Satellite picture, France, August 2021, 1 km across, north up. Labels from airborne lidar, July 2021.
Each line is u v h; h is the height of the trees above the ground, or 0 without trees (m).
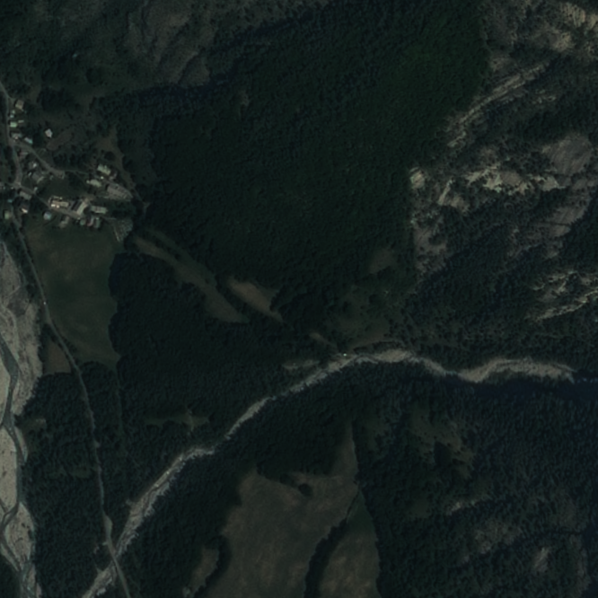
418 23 12
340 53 12
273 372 19
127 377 23
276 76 14
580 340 7
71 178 9
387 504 22
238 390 20
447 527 14
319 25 9
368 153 8
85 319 0
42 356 14
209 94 23
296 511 0
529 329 8
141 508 0
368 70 14
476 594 10
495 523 8
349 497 0
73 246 0
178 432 18
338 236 21
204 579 0
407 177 14
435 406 24
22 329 0
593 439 18
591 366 14
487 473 26
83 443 15
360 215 27
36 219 8
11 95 6
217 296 0
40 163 6
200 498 26
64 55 7
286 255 20
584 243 21
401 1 22
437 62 11
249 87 9
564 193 8
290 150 13
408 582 7
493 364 0
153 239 6
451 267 25
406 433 14
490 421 25
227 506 21
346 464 0
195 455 0
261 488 0
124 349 25
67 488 23
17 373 0
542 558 0
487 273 21
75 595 15
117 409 26
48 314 0
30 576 0
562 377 8
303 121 26
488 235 11
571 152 0
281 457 28
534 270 26
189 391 26
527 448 22
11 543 0
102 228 6
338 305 25
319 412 30
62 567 13
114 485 11
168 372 25
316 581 15
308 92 12
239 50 8
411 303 13
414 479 27
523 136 10
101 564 14
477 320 14
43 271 0
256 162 24
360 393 28
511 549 19
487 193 15
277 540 0
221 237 18
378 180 17
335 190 11
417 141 18
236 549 0
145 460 13
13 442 0
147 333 28
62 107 9
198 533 24
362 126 10
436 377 11
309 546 0
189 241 26
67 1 7
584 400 16
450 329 15
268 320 21
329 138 10
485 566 7
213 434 8
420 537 18
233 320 0
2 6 9
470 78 16
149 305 29
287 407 25
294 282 25
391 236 17
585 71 7
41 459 11
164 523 23
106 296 0
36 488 24
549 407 26
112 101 7
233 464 27
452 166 19
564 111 12
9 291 0
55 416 16
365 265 21
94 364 8
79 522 11
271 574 0
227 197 23
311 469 25
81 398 14
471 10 25
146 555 10
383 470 24
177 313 31
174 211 23
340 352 8
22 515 0
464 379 0
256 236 15
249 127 16
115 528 7
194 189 24
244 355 25
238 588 0
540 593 11
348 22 10
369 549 0
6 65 5
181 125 19
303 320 16
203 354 25
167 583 19
